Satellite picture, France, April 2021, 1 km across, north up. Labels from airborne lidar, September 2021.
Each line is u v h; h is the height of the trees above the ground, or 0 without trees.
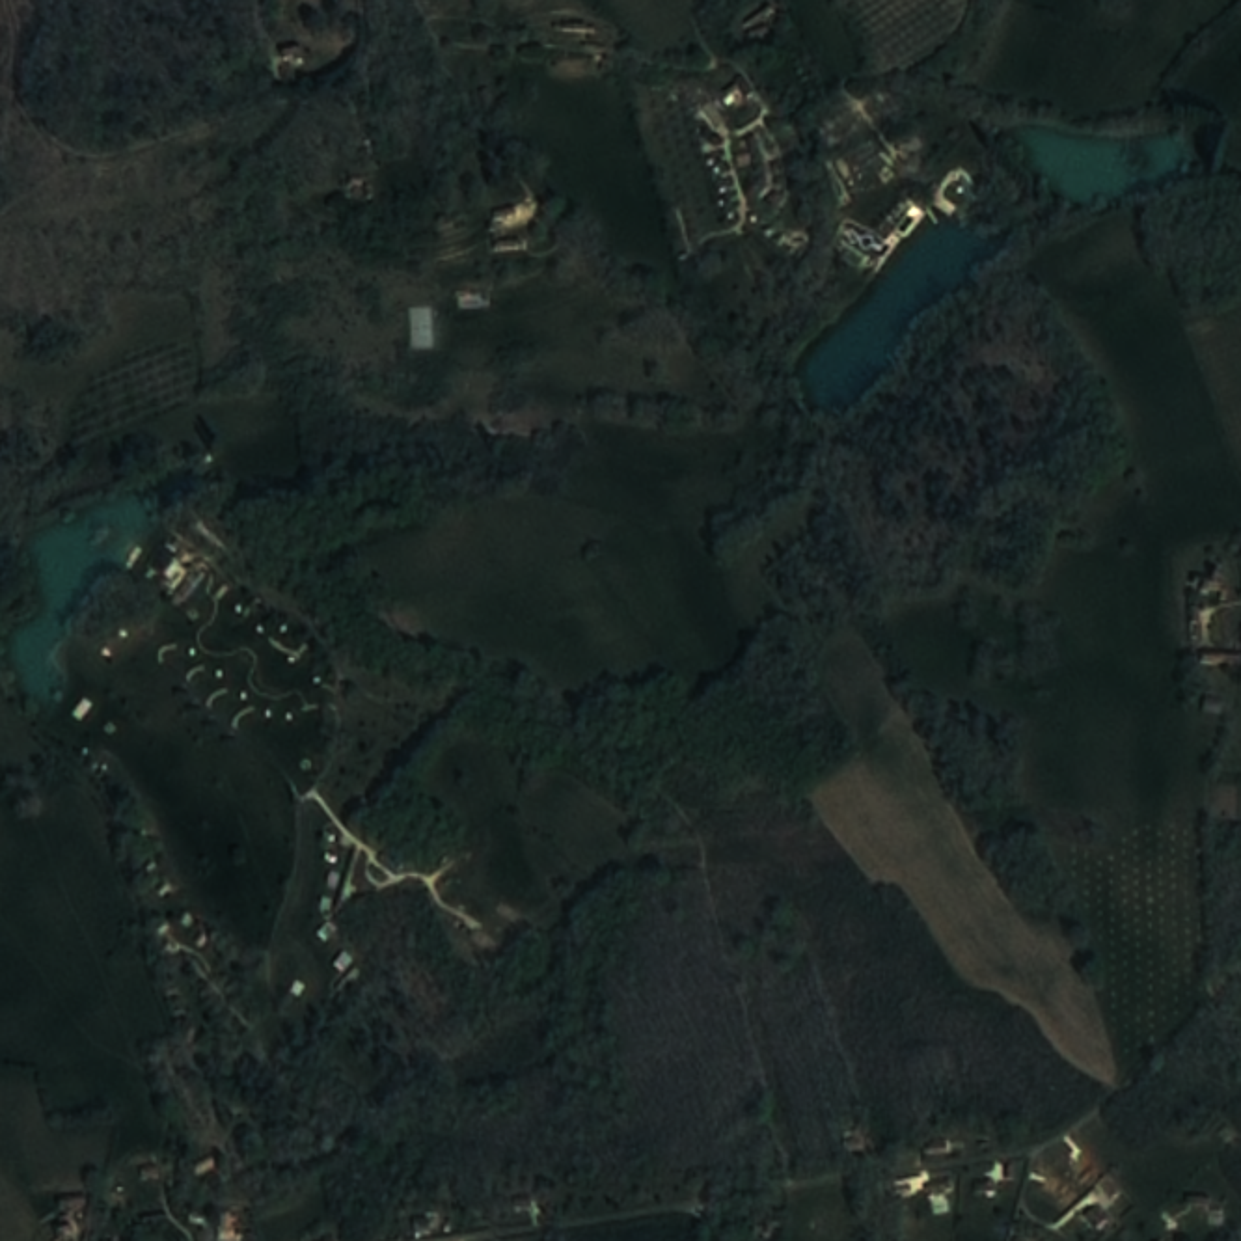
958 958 0
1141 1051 0
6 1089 0
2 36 0
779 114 7
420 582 0
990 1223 0
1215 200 21
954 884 0
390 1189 14
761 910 6
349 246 13
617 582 0
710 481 0
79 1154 0
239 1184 11
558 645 0
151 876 10
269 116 21
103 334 14
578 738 22
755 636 14
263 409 0
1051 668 9
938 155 10
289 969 0
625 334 19
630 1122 15
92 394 10
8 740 0
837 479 17
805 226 16
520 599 0
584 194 0
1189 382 0
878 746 0
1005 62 0
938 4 7
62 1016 0
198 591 0
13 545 19
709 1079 16
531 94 14
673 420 22
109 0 14
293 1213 0
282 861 0
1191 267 19
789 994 14
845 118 13
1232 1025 9
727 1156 14
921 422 21
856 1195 15
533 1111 13
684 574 0
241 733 0
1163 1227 0
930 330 20
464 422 10
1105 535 0
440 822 18
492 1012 12
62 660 0
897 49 11
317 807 0
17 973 0
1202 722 0
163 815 0
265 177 22
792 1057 18
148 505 16
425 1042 11
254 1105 23
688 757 17
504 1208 13
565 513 0
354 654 21
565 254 23
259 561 21
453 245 0
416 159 21
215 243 17
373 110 14
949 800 15
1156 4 0
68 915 0
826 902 7
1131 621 0
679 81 6
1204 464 0
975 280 16
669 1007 17
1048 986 0
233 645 0
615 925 19
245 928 0
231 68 24
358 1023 13
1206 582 0
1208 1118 9
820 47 0
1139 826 0
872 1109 9
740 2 8
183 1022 7
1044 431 12
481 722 20
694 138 12
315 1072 21
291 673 0
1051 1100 8
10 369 0
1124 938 0
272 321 6
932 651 0
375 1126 24
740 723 21
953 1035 7
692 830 8
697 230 8
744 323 10
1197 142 0
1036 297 18
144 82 23
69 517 8
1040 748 0
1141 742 0
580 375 0
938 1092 12
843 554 16
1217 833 13
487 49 19
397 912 11
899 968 7
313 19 18
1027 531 23
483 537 0
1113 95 0
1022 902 21
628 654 0
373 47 18
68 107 17
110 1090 0
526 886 0
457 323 0
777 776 18
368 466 16
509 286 17
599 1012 12
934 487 15
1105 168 0
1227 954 14
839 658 0
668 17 0
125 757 0
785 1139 9
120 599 23
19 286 0
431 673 20
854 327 0
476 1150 13
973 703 0
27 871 0
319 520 26
